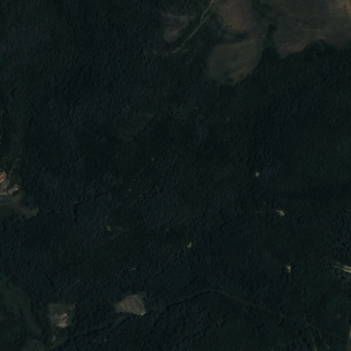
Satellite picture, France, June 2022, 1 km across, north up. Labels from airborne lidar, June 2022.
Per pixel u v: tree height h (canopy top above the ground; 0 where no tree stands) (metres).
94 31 15
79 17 14
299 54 7
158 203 33
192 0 8
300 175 19
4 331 13
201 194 22
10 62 19
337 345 12
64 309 0
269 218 22
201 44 7
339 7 0
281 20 0
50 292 28
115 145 15
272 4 0
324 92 11
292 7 0
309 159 18
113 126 15
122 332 16
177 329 23
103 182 8
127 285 29
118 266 19
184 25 0
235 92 11
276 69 12
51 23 17
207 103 19
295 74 20
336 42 0
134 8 18
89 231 11
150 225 18
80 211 31
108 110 16
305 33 0
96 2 17
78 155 28
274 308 22
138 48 14
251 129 25
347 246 32
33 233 27
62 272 22
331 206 18
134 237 21
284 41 0
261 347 26
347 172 19
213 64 0
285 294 18
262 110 19
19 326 14
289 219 24
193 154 21
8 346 18
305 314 18
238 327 25
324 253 23
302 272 15
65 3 9
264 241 24
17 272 35
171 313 33
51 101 22
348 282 17
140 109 17
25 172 10
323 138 18
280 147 26
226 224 17
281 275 25
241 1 0
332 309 12
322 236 28
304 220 21
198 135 24
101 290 35
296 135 21
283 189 21
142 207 32
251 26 0
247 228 24
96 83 11
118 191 18
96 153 15
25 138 16
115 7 20
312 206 15
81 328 21
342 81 20
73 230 15
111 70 16
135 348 8
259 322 23
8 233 21
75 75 16
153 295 22
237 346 16
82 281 17
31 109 26
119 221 19
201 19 8
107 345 21
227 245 19
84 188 7
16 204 0
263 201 21
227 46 0
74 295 14
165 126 20
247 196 17
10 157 16
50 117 25
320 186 22
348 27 0
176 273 28
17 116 32
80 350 30
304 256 20
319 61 16
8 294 0
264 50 11
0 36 14
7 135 20
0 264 37
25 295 0
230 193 22
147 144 23
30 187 21
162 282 30
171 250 14
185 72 16
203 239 19
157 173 21
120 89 16
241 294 30
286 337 22
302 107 23
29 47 15
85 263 11
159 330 30
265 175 22
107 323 20
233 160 25
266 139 23
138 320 24
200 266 24
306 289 15
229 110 13
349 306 13
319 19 0
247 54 0
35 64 20
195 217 22
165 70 12
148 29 18
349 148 12
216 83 10
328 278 21
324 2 0
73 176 14
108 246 17
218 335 20
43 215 25
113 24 10
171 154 22
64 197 16
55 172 18
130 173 18
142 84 9
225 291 31
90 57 22
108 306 22
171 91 15
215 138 21
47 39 22
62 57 13
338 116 13
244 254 14
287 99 23
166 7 11
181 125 22
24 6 20
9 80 23
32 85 25
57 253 24
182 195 17
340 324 11
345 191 20
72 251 7
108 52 20
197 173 25
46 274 26
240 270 15
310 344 25
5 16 16
